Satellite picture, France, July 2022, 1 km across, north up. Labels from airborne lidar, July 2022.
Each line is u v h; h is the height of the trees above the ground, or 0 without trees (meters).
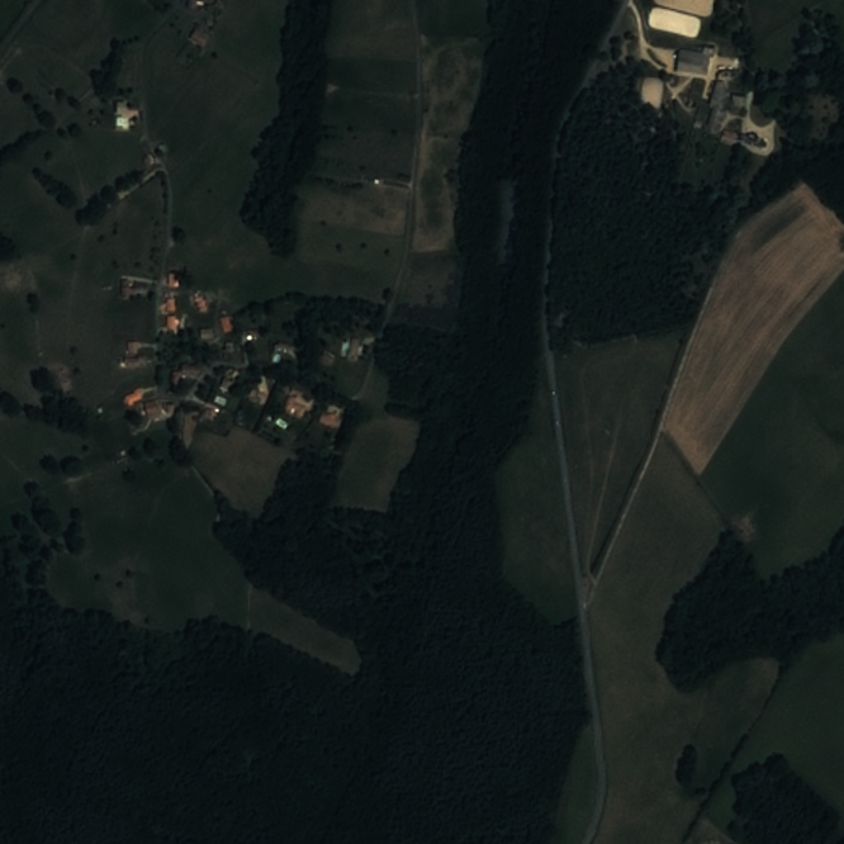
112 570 0
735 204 19
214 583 0
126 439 0
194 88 0
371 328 14
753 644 21
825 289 0
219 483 0
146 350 0
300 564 24
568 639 13
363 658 15
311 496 21
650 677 0
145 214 0
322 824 18
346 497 0
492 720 18
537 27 16
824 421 0
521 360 13
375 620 23
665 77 12
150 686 11
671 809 0
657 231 13
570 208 13
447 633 20
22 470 0
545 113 18
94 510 0
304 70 24
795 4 0
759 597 20
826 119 7
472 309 14
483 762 20
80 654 16
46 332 0
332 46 0
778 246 0
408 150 0
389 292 12
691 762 19
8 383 0
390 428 0
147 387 0
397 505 17
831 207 16
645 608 0
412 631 16
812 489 0
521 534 0
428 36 0
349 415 12
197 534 0
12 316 0
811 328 0
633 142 17
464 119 0
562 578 0
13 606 17
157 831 7
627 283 14
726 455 0
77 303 0
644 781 0
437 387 18
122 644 15
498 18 20
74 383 0
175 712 14
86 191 0
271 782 16
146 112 0
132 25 0
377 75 0
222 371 10
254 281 0
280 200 8
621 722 0
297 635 0
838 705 0
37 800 11
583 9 17
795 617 28
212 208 0
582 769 0
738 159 17
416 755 18
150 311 0
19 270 0
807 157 23
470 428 14
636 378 0
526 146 21
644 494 0
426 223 0
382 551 12
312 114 13
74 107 20
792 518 0
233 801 17
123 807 14
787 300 0
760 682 0
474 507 15
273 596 17
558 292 12
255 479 0
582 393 0
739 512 0
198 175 0
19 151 10
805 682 0
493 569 13
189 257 0
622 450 0
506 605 15
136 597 0
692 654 19
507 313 21
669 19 0
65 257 0
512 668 15
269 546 21
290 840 16
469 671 17
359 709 18
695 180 0
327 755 19
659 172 18
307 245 0
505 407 10
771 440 0
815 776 0
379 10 0
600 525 0
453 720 16
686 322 13
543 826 16
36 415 17
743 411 0
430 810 13
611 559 0
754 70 10
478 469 16
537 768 18
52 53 0
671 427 0
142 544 0
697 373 0
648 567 0
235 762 19
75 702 15
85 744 17
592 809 0
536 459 0
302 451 10
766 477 0
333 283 0
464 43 0
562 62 21
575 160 10
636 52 0
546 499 0
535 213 22
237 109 0
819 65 25
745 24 9
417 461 12
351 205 0
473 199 17
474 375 15
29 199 0
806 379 0
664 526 0
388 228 0
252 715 15
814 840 8
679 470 0
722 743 0
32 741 12
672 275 16
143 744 17
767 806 9
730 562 12
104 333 0
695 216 12
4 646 23
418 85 0
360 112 0
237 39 0
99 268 0
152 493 0
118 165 0
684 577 0
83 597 0
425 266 0
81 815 18
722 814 0
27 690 19
